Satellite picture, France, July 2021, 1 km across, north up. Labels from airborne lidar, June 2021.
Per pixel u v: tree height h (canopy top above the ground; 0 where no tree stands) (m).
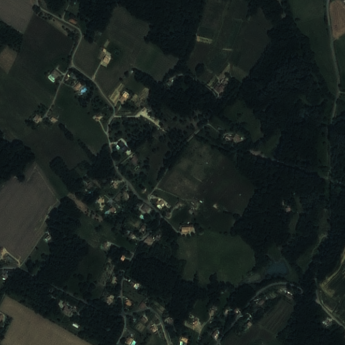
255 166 20
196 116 15
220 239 0
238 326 7
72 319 12
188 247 0
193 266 0
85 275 0
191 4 29
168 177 0
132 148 16
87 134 0
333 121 6
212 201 0
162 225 8
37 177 0
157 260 21
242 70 0
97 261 0
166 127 0
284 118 22
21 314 0
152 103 13
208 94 19
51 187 0
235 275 0
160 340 0
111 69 0
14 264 0
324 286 0
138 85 0
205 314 0
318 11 0
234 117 0
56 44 0
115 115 0
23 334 0
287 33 21
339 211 13
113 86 0
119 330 18
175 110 19
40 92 0
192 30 25
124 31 0
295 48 23
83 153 0
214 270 0
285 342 7
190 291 16
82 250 19
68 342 0
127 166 6
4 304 0
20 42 8
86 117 0
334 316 0
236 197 0
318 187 23
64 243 9
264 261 24
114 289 8
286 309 0
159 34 22
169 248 11
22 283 18
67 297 9
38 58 0
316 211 22
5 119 0
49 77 0
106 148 16
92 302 11
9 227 0
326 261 13
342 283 0
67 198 12
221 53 0
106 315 14
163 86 15
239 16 0
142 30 0
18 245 0
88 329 12
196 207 0
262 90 24
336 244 23
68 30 8
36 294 13
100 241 0
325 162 0
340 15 0
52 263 21
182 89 17
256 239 27
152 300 7
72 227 22
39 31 0
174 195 0
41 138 0
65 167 11
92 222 0
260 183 24
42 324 0
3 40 13
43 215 0
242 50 0
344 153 12
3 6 0
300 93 15
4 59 0
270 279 11
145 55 0
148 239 0
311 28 0
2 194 0
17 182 0
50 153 0
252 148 20
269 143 0
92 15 18
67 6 0
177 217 0
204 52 0
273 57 24
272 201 35
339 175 7
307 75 31
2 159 27
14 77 0
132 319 6
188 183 0
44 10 0
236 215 13
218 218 0
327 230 0
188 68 15
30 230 0
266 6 23
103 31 12
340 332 15
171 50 17
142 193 0
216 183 0
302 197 21
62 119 0
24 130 0
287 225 21
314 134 21
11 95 0
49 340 0
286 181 27
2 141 35
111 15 19
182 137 16
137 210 11
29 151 16
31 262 19
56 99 0
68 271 16
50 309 10
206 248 0
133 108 10
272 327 0
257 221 27
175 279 25
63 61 7
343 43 0
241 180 0
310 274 22
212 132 0
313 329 21
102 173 16
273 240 28
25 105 0
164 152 0
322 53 0
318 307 15
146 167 15
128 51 0
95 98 5
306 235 17
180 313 17
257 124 0
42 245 0
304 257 0
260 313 12
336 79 0
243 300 13
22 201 0
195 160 0
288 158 30
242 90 18
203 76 0
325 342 23
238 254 0
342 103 8
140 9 24
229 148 7
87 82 13
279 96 18
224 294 0
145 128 10
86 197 10
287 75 27
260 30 0
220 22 0
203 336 12
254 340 0
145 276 17
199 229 12
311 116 23
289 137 22
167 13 20
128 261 16
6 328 13
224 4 0
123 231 8
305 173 25
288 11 11
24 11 0
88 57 0
